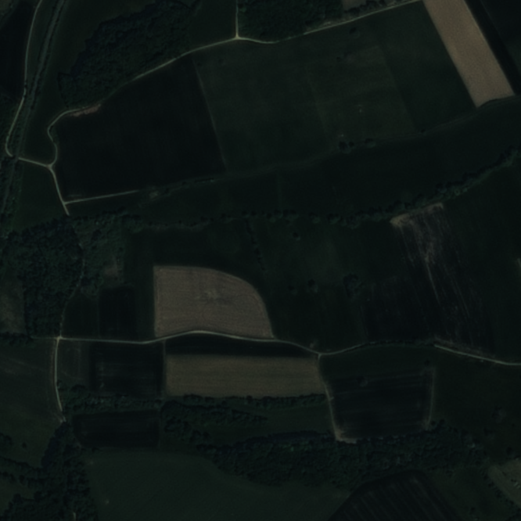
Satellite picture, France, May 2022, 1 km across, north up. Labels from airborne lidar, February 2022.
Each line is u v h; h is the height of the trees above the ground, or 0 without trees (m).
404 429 0
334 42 0
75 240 29
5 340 16
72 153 0
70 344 0
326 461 26
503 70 0
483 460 9
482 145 0
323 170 0
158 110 0
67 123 0
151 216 0
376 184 0
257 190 0
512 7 0
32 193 0
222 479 0
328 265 0
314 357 0
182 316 0
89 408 13
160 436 0
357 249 0
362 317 0
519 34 0
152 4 0
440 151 0
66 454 21
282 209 0
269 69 0
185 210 0
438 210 0
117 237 6
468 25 0
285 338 0
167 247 0
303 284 0
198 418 19
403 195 0
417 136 0
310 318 0
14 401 0
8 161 7
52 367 0
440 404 0
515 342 0
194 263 0
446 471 7
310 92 0
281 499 0
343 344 0
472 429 0
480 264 0
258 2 18
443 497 0
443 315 0
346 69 0
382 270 0
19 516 10
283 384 0
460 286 0
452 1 0
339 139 0
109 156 0
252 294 0
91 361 0
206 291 0
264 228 0
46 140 0
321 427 0
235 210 0
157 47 22
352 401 0
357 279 15
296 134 0
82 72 24
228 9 0
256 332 0
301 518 0
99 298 0
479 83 0
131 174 0
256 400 7
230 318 0
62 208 0
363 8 11
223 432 0
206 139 0
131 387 0
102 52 26
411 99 0
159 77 0
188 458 0
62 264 21
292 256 0
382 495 0
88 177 0
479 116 0
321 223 0
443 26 0
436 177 0
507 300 0
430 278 0
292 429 0
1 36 0
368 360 0
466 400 0
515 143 0
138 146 0
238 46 0
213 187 0
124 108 0
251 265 0
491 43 0
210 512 0
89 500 15
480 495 0
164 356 0
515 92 0
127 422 0
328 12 17
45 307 18
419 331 0
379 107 0
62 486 28
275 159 0
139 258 0
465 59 0
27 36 0
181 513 0
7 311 0
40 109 0
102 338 0
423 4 0
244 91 0
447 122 0
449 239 0
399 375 0
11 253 22
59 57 0
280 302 0
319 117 0
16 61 0
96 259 6
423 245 0
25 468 19
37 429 0
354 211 0
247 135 0
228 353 0
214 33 0
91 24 0
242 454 24
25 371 0
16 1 10
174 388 0
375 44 0
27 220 0
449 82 0
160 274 0
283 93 0
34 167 0
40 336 15
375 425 0
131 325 0
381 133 0
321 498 0
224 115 0
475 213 0
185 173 0
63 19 0
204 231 0
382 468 9
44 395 0
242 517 0
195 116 0
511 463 0
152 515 0
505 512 0
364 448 17
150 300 0
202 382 0
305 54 0
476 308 0
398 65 0
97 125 0
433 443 15
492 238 0
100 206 0
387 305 0
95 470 0
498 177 0
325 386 0
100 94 16
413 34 0
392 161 0
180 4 16
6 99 10
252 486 0
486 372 0
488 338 0
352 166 0
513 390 0
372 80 0
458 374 0
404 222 0
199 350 0
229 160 0
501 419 12
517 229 0
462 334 0
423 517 0
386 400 0
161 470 0
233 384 0
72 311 0
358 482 6
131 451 0
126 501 0
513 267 0
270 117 0
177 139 0
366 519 0
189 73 0
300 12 19
